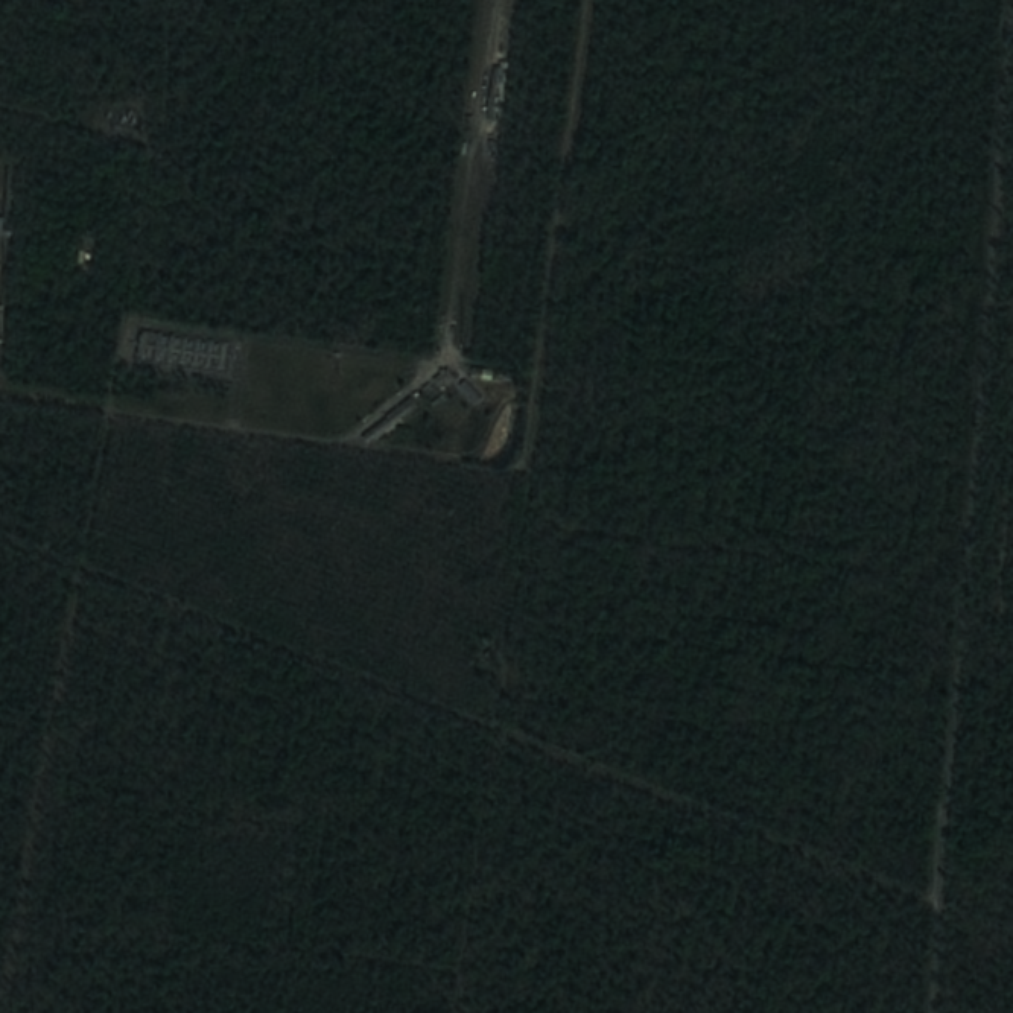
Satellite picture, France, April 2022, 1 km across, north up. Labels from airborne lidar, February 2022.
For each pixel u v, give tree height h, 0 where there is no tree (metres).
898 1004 15
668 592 17
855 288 14
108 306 13
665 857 19
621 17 16
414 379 0
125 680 17
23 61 18
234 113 6
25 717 14
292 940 17
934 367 17
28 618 13
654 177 17
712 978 14
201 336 0
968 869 17
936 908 0
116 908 17
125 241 16
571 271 17
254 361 0
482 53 0
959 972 6
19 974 17
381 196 19
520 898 7
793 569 17
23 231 16
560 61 15
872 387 17
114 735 16
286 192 16
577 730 16
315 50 8
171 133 8
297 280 17
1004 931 16
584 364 17
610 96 17
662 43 19
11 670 13
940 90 15
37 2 7
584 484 12
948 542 19
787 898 16
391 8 13
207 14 16
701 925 19
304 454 8
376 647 10
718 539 15
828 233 18
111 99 13
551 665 16
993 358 17
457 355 0
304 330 16
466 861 14
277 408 0
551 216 17
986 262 0
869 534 19
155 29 8
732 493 20
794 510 16
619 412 18
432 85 18
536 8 16
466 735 16
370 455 10
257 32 11
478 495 9
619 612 15
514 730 15
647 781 15
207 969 16
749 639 18
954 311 17
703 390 17
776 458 13
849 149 13
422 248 17
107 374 15
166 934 15
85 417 17
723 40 15
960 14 17
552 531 13
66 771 15
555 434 15
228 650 15
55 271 16
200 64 16
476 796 15
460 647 11
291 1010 6
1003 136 17
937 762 17
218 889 10
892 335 15
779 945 13
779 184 13
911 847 12
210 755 16
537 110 18
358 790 16
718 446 19
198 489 9
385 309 19
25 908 15
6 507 15
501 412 0
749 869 17
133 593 14
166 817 17
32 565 13
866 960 16
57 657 12
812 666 14
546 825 17
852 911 19
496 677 11
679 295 15
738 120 18
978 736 19
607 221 19
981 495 15
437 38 16
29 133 9
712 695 16
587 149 17
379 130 16
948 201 17
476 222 0
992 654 16
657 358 18
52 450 14
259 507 9
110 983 21
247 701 17
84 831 15
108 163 19
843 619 17
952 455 15
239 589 10
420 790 16
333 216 11
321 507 10
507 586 10
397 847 16
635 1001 17
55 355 16
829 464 17
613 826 7
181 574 10
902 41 14
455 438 0
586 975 16
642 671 9
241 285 16
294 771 16
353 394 0
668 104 16
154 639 17
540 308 12
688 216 18
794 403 18
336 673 12
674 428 18
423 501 8
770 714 20
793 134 17
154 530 12
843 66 18
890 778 17
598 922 17
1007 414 16
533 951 17
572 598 19
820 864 18
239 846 9
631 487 14
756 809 16
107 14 11
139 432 9
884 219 21
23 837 13
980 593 14
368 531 10
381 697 18
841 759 16
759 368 12
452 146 14
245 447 8
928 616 14
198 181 14
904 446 16
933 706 16
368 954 16
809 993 17
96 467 8
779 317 15
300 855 17
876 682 9
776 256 21
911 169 15
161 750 16
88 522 15
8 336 9
